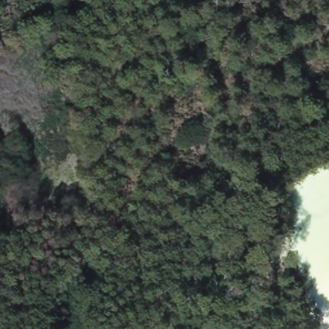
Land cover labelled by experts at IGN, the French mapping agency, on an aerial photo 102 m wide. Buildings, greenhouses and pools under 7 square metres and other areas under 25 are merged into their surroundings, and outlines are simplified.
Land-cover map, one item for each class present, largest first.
<instances>
[{"label":"coniferous trees","instance_id":"1","mask_svg":"<svg viewBox=\"0 0 329 329\"><path fill-rule=\"evenodd\" d=\"M24 46L30 50H42L45 75L53 85V91L39 95L40 107L46 116L44 121L32 118L26 123L35 140L40 167L41 177L44 179L48 177L46 171L49 168L59 170L60 163L66 161L68 154H75L77 173L85 182L82 189L86 198L93 203L87 215L76 207L72 213L64 217H60L57 212H50L49 216H42L39 220L24 222L27 229L23 234L0 235V329H329V301L323 294L317 293L315 280L308 274L310 267L299 260L298 252L292 251L287 257H281L280 252L285 238H290L294 233L298 207L301 206L296 184L307 175H314L317 168H329V0H0V53L4 50L9 54L17 51L22 54Z\"/></svg>","mask_w":329,"mask_h":329},{"label":"herbaceous vegetation","instance_id":"2","mask_svg":"<svg viewBox=\"0 0 329 329\"><path fill-rule=\"evenodd\" d=\"M42 50H30L24 46L22 54L17 51L9 54L4 50L0 53V134L3 131L19 129L30 154L28 167L31 171L40 167L35 140L26 123L32 118L44 121L46 116L40 107L39 95L53 91V85L45 75ZM75 154H68L66 161L60 163L59 170L49 168L46 171L48 177L44 179L39 185L36 202L58 204L64 197H73L82 189L85 182L77 173ZM31 189V186H27L23 181H15L4 189L0 188V235L23 234L27 229L24 222L21 225L15 224L9 209L15 207L22 198L23 191Z\"/></svg>","mask_w":329,"mask_h":329},{"label":"pervious surface","instance_id":"3","mask_svg":"<svg viewBox=\"0 0 329 329\"><path fill-rule=\"evenodd\" d=\"M301 206L298 207L294 233L290 238H285L280 252L281 257H287L292 251L298 252L299 260L310 267L308 274L315 280L317 293L323 294L329 301V168H317L314 175H307L296 184Z\"/></svg>","mask_w":329,"mask_h":329},{"label":"brushwood","instance_id":"4","mask_svg":"<svg viewBox=\"0 0 329 329\"><path fill-rule=\"evenodd\" d=\"M30 154L19 129L3 131L0 134V188L4 189L15 181H23L27 186H31V189L23 191L22 198L15 207L9 209L15 224L21 225L24 222L39 220L42 216H49L50 212H57L60 217H64L72 213L76 207L87 215L93 203L86 198L82 189L73 197H64L58 204L36 202L39 185L44 179L41 177L40 167L31 171L28 167Z\"/></svg>","mask_w":329,"mask_h":329}]
</instances>
